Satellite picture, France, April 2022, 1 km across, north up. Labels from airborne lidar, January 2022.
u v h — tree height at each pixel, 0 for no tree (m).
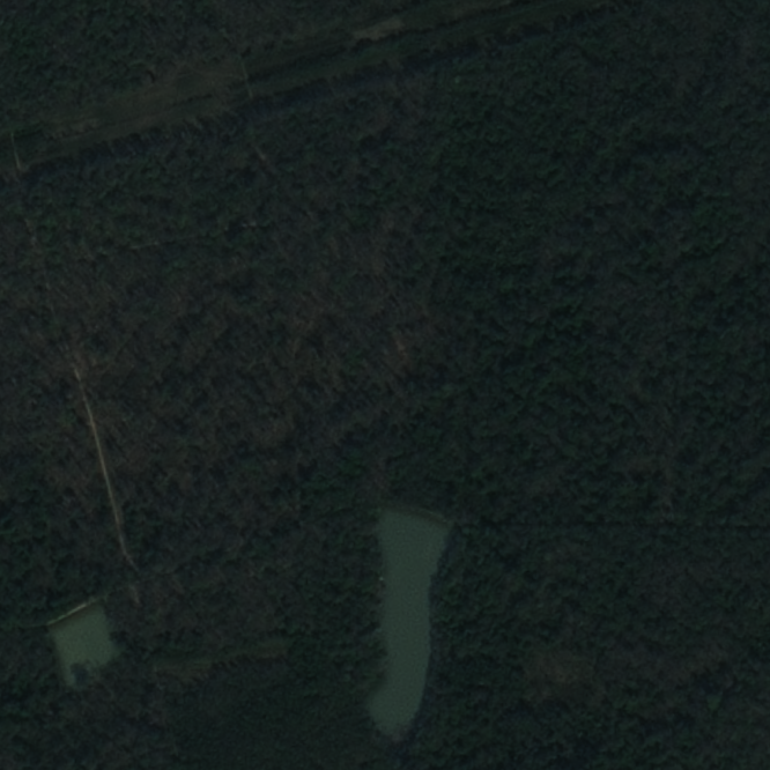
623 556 18
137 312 34
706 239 28
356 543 25
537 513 25
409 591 0
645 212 31
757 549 29
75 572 28
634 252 30
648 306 32
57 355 30
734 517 21
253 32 30
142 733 34
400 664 0
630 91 17
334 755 19
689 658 28
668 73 28
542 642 24
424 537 0
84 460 31
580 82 24
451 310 10
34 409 33
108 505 11
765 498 27
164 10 18
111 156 24
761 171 28
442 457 26
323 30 24
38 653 28
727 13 29
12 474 33
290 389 20
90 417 0
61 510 29
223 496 34
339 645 27
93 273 31
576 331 17
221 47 25
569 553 26
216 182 31
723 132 29
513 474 25
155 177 30
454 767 21
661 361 26
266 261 34
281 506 32
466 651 19
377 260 34
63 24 32
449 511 19
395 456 12
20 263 25
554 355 25
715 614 29
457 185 24
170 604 28
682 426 31
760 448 24
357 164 29
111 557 34
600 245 30
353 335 32
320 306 35
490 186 25
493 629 28
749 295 25
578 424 18
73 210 29
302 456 29
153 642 25
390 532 0
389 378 35
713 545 26
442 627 16
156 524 7
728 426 26
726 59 25
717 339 19
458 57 26
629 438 25
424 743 25
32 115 26
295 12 29
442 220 33
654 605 32
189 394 32
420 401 24
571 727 25
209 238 29
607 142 30
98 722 24
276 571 26
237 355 35
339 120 30
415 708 0
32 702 29
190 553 32
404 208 30
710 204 28
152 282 31
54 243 28
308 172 33
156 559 30
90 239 29
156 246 29
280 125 30
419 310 34
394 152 28
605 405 32
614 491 26
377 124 29
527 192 31
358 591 30
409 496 22
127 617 26
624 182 23
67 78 32
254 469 32
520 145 24
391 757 16
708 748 28
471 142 23
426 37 8
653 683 31
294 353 35
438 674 19
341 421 35
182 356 28
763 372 29
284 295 35
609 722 17
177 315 37
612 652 31
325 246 32
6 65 27
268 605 25
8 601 26
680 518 22
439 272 7
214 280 26
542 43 24
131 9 28
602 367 28
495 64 27
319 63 9
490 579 22
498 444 26
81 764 25
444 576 13
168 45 27
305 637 16
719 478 27
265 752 20
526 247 17
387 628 0
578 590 23
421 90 32
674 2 29
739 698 27
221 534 29
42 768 30
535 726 25
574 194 27
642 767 24
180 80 0
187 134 23
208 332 35
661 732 28
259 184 29
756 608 22
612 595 28
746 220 29
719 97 29
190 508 31
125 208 33
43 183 28
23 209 16
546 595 27
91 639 0
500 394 29
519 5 11
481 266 13
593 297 27
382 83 27
